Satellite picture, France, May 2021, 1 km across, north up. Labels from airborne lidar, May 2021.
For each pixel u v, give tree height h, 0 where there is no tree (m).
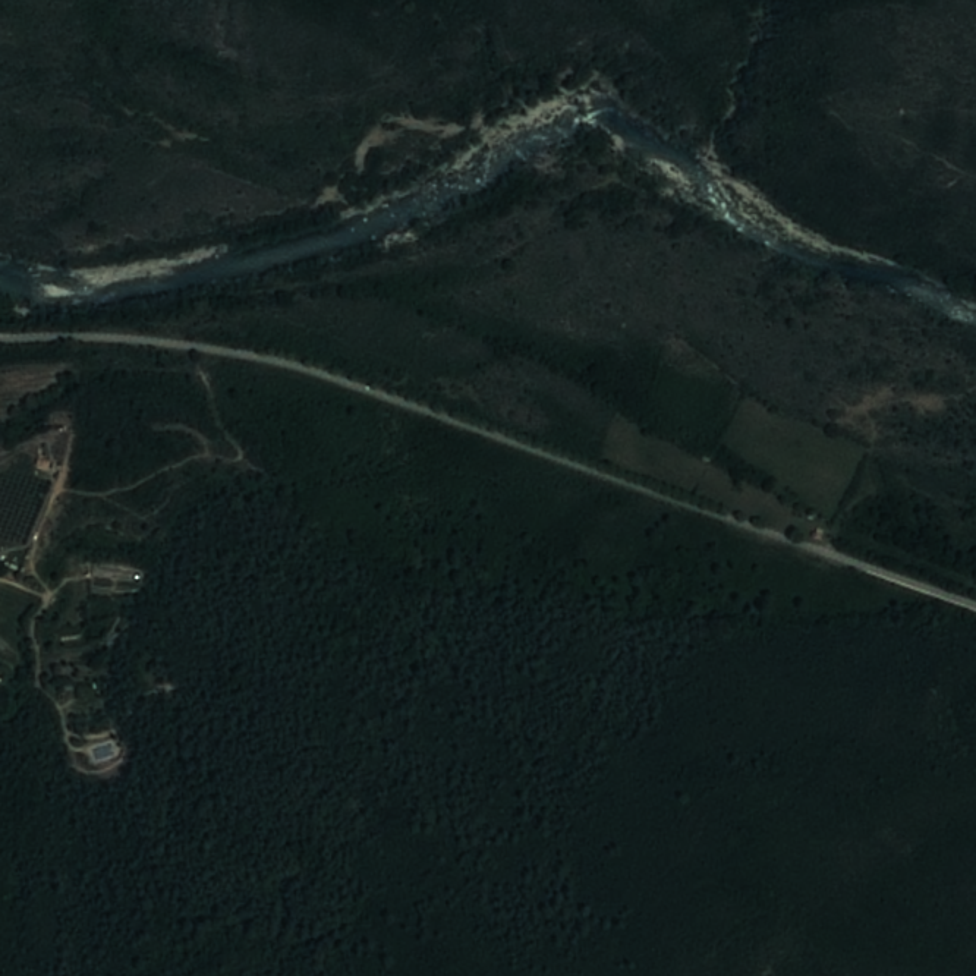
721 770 9
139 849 16
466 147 12
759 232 0
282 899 8
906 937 6
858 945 8
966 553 17
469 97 7
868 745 8
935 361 0
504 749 11
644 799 6
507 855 7
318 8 9
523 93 19
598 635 12
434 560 8
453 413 14
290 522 6
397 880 7
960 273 9
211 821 21
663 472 0
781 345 0
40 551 0
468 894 8
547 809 17
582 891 9
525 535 16
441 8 7
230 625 18
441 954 6
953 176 0
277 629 16
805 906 6
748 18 7
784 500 10
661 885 6
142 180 0
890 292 9
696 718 7
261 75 6
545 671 7
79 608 7
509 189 11
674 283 0
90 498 8
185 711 21
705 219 12
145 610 13
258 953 10
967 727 10
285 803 19
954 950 7
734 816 7
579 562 16
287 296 12
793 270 9
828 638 6
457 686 10
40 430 7
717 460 6
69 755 15
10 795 10
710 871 6
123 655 12
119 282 0
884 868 6
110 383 8
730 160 8
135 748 7
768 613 23
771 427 0
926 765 8
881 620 12
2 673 10
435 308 6
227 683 21
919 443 7
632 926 7
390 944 6
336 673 12
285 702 22
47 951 7
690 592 8
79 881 15
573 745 16
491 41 12
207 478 7
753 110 14
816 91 6
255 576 16
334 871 7
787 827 6
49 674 12
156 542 8
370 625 12
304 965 10
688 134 10
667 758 7
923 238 6
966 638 6
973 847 7
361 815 20
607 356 6
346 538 7
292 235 10
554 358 6
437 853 7
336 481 7
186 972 7
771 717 5
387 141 0
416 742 9
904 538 11
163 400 5
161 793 19
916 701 8
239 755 20
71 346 10
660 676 12
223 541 9
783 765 9
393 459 6
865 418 0
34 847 9
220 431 6
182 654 7
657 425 7
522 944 9
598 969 6
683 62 6
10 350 8
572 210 7
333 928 20
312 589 19
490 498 8
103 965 14
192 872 18
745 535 0
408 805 13
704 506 15
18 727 16
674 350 0
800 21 6
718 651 7
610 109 0
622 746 7
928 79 0
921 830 6
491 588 20
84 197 6
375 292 6
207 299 12
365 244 9
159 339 0
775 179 6
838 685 7
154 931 10
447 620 19
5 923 9
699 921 6
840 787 5
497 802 7
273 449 6
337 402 6
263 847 14
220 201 0
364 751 10
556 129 0
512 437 11
